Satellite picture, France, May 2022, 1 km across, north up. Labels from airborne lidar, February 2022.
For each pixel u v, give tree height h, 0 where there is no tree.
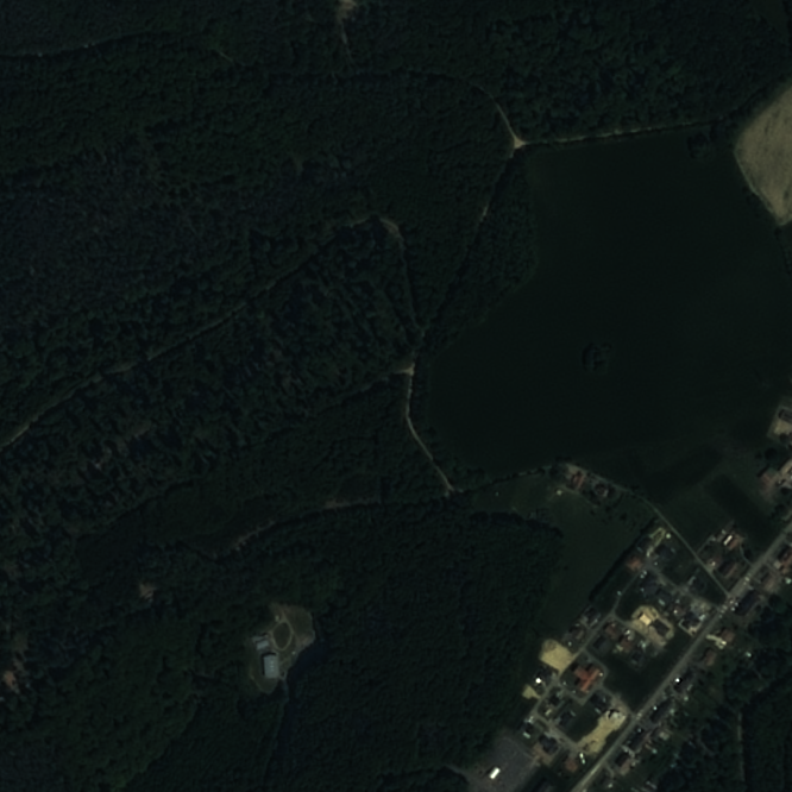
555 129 31
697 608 0
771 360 0
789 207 0
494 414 0
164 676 36
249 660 0
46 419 6
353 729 25
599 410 0
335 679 29
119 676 36
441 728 27
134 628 34
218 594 28
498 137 20
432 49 22
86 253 32
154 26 19
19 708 31
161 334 23
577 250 0
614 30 30
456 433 0
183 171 27
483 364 0
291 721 22
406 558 20
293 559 32
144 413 35
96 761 40
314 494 18
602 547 0
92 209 29
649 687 0
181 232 34
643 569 0
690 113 23
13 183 30
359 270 36
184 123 23
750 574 0
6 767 30
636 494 7
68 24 23
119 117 25
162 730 39
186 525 10
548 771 0
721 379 0
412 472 20
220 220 34
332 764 28
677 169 0
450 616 27
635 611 0
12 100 25
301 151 27
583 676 0
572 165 0
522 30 32
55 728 31
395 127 23
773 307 0
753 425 0
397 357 34
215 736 0
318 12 21
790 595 0
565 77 34
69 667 34
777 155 0
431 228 21
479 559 25
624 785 0
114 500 27
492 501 0
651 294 0
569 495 0
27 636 8
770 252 0
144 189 30
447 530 24
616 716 0
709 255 0
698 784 28
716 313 0
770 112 0
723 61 25
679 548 0
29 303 39
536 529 23
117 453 35
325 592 39
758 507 0
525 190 18
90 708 35
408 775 28
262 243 37
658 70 31
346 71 20
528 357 0
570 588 0
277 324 34
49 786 26
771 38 23
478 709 25
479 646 23
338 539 18
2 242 30
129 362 7
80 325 40
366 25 20
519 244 21
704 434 0
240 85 24
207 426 35
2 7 26
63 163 17
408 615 24
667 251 0
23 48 18
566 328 0
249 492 17
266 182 28
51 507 31
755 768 21
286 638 0
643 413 0
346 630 28
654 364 0
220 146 28
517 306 0
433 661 28
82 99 24
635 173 0
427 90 26
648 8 25
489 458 0
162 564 30
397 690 28
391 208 19
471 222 17
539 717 0
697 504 0
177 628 37
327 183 18
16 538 36
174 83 24
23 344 40
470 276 16
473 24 25
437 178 22
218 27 24
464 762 25
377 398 16
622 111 32
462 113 27
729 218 0
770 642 26
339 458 17
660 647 0
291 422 30
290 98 24
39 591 31
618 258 0
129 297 38
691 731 9
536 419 0
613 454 0
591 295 0
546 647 0
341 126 26
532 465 0
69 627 15
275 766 19
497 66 24
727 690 14
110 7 20
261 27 28
